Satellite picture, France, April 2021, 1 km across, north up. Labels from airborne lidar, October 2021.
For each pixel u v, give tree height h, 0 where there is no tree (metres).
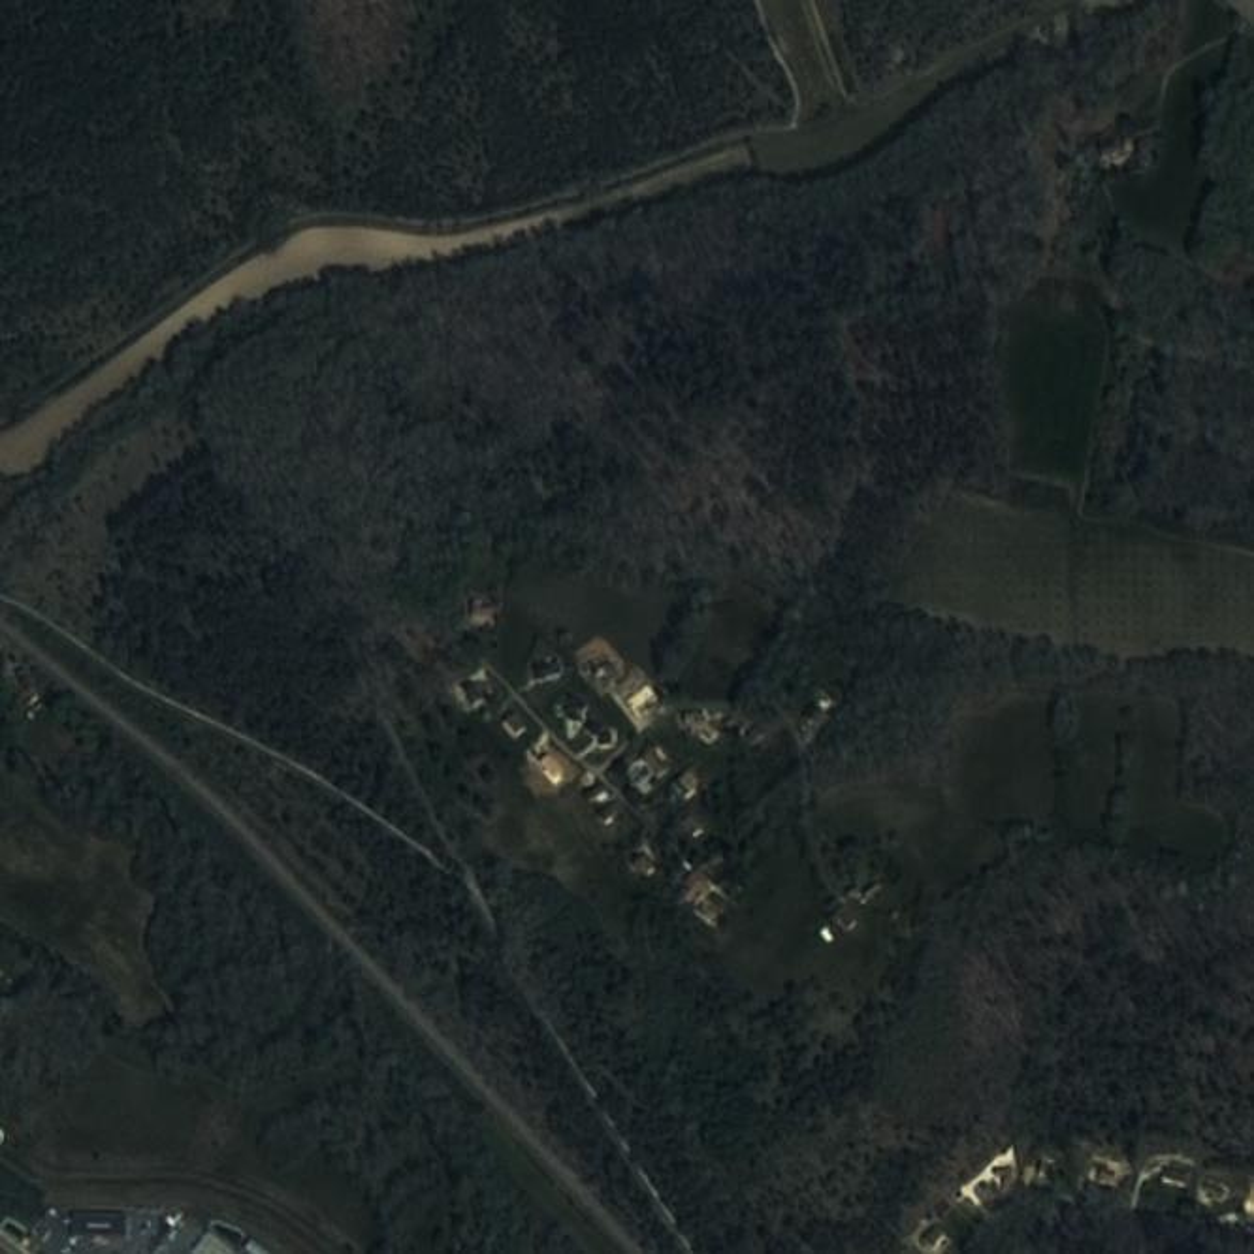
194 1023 20
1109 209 0
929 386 12
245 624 21
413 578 21
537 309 15
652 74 9
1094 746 0
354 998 21
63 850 0
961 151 20
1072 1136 14
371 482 16
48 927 0
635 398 28
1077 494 0
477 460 19
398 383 17
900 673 16
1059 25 0
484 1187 23
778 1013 11
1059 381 0
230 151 9
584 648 0
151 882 8
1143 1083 8
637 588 15
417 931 14
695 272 14
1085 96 23
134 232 12
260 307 8
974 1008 14
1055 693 8
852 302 24
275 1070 16
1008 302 20
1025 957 15
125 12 10
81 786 10
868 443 6
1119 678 13
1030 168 21
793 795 13
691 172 0
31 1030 18
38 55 13
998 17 6
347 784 13
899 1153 8
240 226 11
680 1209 8
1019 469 0
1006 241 19
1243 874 15
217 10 14
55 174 14
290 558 15
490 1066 13
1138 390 7
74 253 12
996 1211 13
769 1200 6
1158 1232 17
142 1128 0
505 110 8
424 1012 16
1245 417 11
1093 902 11
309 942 10
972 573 0
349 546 14
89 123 13
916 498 12
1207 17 0
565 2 12
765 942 0
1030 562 0
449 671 23
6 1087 15
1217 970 15
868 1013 11
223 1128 0
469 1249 17
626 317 18
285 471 20
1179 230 0
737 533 20
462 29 10
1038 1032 19
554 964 6
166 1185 0
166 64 10
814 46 0
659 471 20
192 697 16
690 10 13
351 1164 17
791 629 14
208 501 16
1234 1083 24
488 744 0
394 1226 16
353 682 22
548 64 9
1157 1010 23
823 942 0
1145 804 0
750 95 8
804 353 23
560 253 25
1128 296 21
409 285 22
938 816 0
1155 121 0
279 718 14
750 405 16
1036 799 0
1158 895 13
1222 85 15
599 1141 6
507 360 18
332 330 16
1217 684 17
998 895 15
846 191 22
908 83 0
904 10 8
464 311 19
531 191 10
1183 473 13
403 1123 16
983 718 0
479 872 9
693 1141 7
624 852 8
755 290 17
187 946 13
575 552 14
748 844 8
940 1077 11
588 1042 17
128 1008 0
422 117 7
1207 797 13
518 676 0
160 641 17
